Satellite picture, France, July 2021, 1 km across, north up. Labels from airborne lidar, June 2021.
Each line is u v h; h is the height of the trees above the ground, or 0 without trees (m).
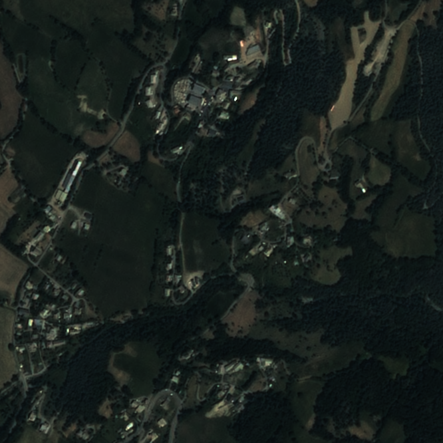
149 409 0
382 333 17
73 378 11
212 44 0
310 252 11
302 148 0
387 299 8
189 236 0
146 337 17
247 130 16
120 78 0
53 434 0
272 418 18
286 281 0
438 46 12
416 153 0
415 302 8
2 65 0
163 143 10
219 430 0
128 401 9
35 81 0
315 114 7
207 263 0
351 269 17
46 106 0
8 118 0
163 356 20
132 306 0
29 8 0
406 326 9
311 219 0
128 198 0
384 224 0
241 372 0
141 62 0
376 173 0
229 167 13
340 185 6
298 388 0
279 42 11
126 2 0
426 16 11
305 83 16
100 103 0
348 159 6
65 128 0
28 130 0
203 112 0
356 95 12
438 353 22
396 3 0
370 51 7
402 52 0
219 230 11
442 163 9
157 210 0
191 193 16
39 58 0
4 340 0
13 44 0
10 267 0
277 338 0
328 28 7
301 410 0
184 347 9
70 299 6
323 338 10
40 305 10
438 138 6
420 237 0
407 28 0
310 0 0
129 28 0
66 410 10
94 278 0
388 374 13
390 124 0
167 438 11
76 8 0
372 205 8
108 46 0
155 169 0
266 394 7
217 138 10
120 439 7
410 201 8
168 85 9
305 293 14
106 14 0
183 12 7
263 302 12
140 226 0
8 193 0
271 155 12
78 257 0
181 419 8
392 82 0
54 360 10
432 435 17
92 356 12
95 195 0
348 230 15
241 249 6
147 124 0
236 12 0
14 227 8
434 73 10
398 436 0
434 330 15
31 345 0
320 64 9
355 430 0
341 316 26
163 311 10
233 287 18
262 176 7
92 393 15
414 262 14
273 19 6
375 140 0
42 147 0
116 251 0
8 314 0
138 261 0
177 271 8
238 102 9
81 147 8
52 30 0
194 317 21
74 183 7
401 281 20
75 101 0
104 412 0
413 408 20
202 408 12
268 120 19
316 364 0
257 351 13
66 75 0
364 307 13
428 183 12
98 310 8
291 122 12
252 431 24
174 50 0
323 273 0
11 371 0
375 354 18
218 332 12
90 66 0
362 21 8
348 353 0
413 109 10
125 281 0
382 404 14
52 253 0
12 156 0
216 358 8
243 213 13
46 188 0
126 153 0
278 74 13
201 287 9
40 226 7
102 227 0
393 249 0
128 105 6
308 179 0
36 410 8
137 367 0
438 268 17
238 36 0
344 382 11
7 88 0
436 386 21
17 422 11
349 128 0
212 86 6
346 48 0
